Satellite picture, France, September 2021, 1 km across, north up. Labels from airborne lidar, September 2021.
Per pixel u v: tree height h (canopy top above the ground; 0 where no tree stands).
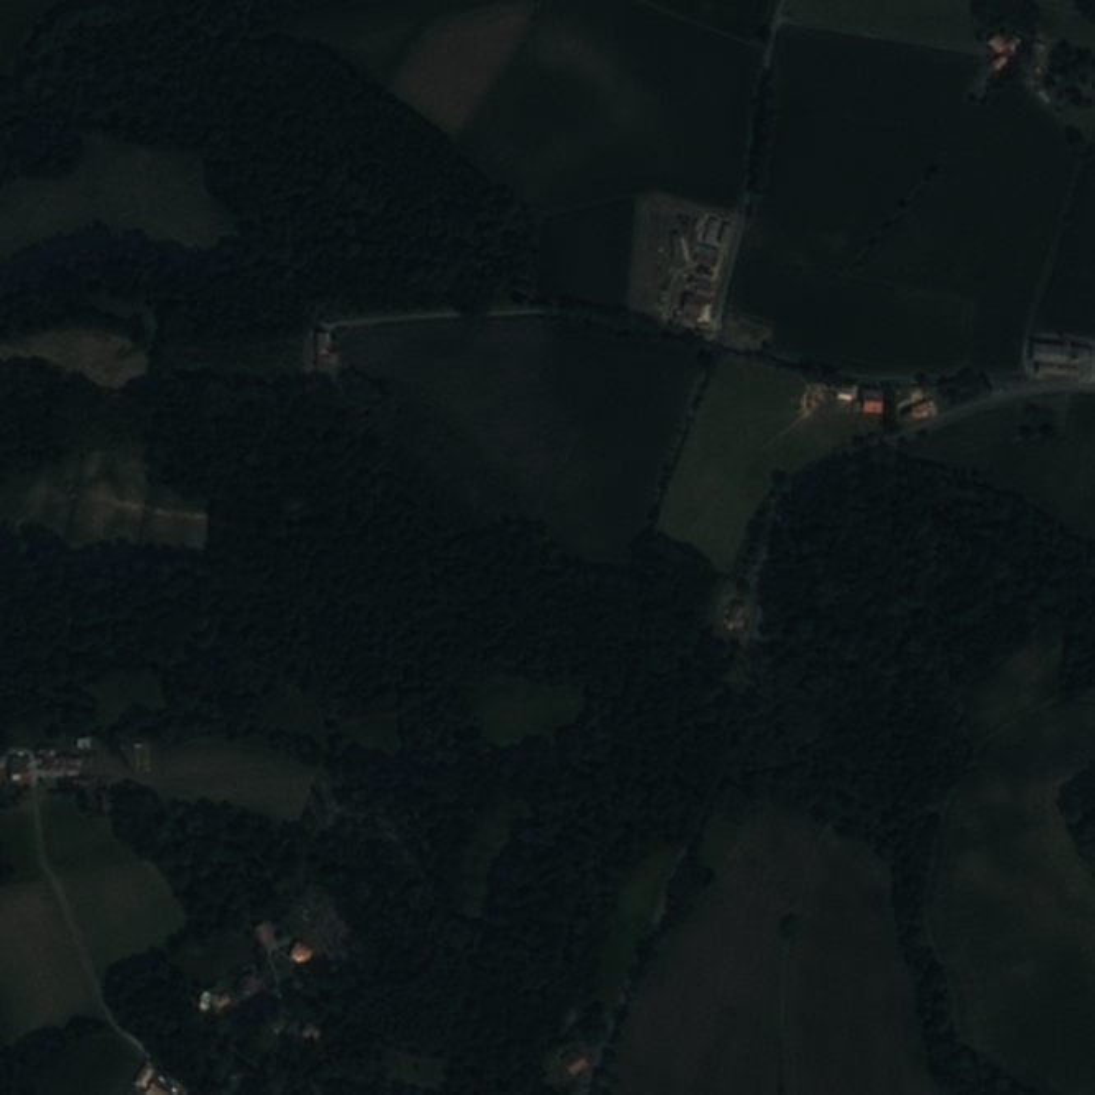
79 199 0
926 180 8
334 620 18
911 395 0
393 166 19
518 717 0
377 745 0
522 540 22
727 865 0
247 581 21
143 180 0
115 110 28
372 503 18
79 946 0
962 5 0
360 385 22
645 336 14
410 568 17
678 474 0
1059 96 10
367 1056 19
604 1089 8
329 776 20
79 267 23
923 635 22
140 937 0
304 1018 14
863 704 16
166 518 0
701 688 32
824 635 24
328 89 22
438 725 20
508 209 21
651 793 26
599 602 20
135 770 0
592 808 11
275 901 18
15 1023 0
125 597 32
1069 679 10
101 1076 0
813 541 25
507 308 0
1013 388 0
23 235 0
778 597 25
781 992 0
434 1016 28
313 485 29
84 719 22
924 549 24
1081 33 0
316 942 0
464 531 8
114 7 21
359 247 26
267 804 0
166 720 7
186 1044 24
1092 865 14
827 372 17
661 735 19
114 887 0
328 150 19
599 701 18
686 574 21
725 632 0
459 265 21
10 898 0
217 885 22
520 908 21
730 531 0
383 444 9
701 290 0
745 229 0
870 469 26
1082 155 9
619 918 0
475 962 23
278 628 15
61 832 0
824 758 18
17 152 29
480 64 0
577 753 24
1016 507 21
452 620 20
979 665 26
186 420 24
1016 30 12
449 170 22
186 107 20
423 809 21
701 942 0
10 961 0
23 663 26
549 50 0
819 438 0
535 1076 7
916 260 0
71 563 29
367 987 24
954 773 23
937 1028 17
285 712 0
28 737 0
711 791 15
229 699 18
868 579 24
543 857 31
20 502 0
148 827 17
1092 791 21
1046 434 12
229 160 21
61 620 23
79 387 19
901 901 18
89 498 0
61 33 13
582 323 8
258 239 23
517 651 16
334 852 21
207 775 0
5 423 13
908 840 20
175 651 20
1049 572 27
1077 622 25
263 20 16
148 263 21
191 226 0
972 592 29
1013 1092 19
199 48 14
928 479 21
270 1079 17
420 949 24
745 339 0
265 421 25
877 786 13
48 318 29
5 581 24
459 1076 14
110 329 14
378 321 0
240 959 0
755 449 0
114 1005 20
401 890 24
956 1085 24
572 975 24
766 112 21
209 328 22
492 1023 26
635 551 13
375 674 20
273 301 22
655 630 15
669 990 0
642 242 0
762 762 23
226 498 16
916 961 12
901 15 0
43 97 14
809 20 0
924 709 18
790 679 23
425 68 0
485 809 19
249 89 22
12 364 8
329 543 16
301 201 18
